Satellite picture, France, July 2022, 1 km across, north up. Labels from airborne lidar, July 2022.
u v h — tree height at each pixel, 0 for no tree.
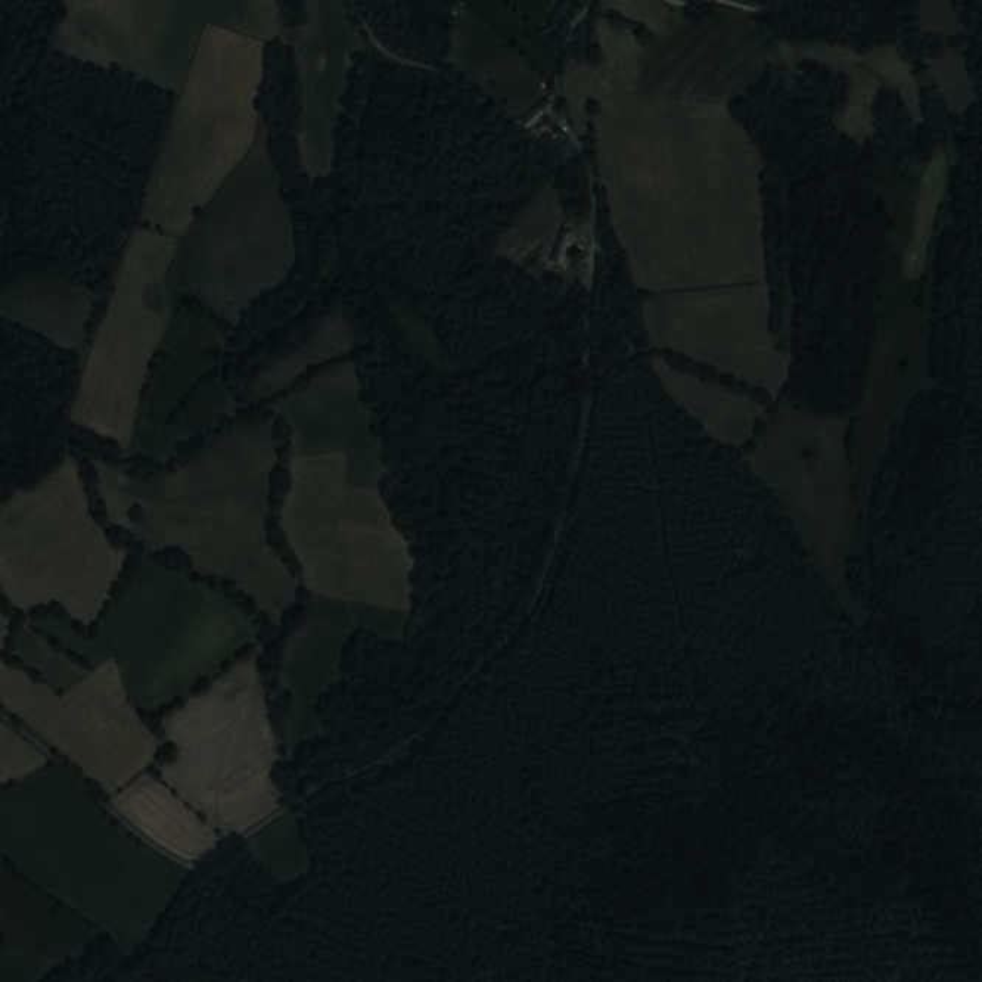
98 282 20
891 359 0
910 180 0
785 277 8
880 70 0
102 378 0
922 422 27
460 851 23
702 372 16
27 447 24
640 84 0
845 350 27
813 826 25
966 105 0
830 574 0
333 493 0
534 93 0
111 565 0
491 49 0
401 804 22
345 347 0
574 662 21
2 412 23
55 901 6
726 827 18
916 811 20
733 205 0
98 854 0
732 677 29
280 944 23
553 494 16
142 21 0
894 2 30
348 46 0
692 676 16
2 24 11
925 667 19
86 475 16
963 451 19
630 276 16
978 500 17
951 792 18
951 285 10
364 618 0
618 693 27
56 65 13
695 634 25
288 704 18
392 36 8
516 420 15
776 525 24
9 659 14
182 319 0
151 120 24
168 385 0
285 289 19
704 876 20
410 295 15
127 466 6
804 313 22
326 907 23
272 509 12
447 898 24
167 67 0
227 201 0
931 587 17
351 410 0
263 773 0
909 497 24
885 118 22
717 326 0
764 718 27
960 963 14
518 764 21
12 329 11
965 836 23
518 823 18
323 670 0
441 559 18
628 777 21
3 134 19
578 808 21
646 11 0
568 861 25
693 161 0
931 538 22
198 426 0
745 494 24
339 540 0
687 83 0
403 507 25
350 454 0
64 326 0
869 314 29
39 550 0
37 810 0
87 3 0
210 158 0
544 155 14
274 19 0
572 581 22
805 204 21
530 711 21
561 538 6
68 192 22
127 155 10
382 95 11
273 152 16
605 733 23
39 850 0
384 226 21
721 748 18
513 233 0
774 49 20
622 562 22
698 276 0
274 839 0
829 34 23
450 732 21
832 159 18
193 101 0
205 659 0
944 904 19
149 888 0
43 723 0
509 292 16
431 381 9
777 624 29
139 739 0
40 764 0
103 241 23
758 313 0
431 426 20
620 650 25
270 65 18
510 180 21
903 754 20
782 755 20
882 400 0
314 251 22
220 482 0
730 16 0
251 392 9
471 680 9
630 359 20
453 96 11
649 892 19
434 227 17
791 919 17
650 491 22
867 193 22
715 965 16
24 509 0
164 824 0
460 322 17
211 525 0
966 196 22
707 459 22
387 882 19
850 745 19
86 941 0
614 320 18
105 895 0
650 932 16
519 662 20
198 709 0
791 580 25
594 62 16
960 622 15
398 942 24
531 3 0
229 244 0
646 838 19
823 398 23
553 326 18
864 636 13
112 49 0
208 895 21
